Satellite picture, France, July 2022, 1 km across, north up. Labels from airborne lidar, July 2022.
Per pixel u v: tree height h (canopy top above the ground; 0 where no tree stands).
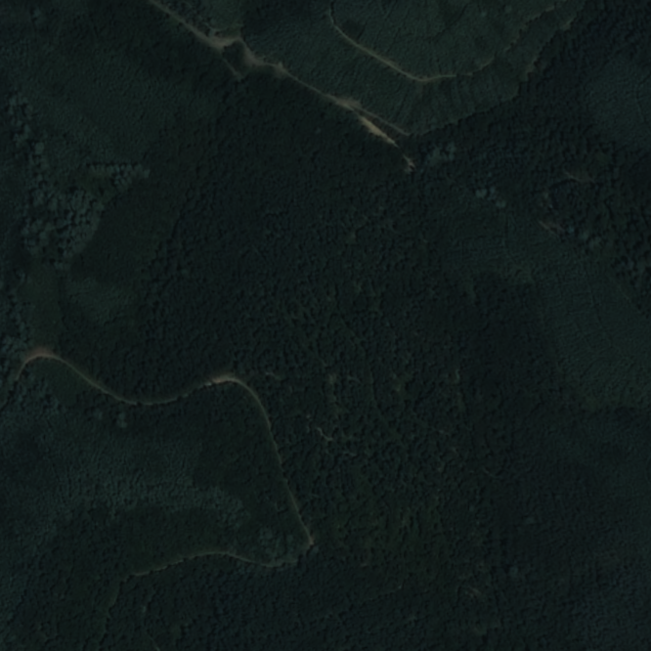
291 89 9
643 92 11
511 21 14
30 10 12
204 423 15
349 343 27
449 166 19
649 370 8
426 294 24
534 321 13
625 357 9
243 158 14
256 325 23
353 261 24
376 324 22
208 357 14
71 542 25
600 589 15
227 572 20
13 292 24
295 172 18
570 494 12
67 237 37
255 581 32
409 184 17
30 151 8
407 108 11
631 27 18
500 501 19
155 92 11
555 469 11
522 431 10
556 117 14
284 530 14
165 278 12
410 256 23
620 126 12
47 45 13
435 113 13
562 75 15
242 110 9
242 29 14
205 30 12
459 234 8
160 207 22
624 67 13
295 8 10
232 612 22
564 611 11
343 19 12
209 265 18
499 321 16
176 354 11
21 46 8
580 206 30
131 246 20
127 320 22
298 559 12
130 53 18
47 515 14
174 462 13
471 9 17
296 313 19
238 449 13
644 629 17
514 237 11
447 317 23
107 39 18
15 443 17
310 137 17
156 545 19
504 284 16
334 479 24
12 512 16
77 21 18
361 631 36
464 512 14
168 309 21
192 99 13
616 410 12
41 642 21
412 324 17
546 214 16
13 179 14
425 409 22
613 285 12
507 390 13
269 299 17
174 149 17
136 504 19
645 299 14
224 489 15
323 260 20
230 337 15
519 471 14
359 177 21
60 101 18
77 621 24
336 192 17
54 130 17
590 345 8
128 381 24
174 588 24
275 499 23
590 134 21
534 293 11
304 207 23
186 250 12
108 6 14
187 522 18
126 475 17
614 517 7
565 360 10
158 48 26
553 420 7
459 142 21
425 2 10
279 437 20
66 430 12
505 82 14
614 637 14
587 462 8
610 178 25
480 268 11
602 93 10
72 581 22
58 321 6
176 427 15
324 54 9
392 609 21
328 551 16
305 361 25
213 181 12
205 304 13
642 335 10
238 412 13
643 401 10
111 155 16
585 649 12
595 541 13
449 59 14
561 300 9
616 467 10
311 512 24
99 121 13
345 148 24
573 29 14
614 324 10
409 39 12
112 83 13
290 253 23
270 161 15
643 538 11
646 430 13
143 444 15
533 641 23
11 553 9
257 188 20
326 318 21
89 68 13
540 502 9
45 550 18
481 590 21
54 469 16
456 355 18
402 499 22
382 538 9
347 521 18
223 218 18
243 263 18
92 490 12
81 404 17
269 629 33
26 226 23
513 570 30
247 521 19
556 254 11
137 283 23
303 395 21
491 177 20
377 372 23
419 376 26
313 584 33
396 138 10
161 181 23
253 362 20
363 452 26
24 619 20
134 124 12
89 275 16
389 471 25
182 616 31
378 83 7
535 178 16
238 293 13
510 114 24
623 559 8
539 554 12
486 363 19
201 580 28
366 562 24
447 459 22
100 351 22
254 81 18
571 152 27
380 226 27
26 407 18
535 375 21
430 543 16
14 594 11
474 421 22
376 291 14
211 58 14
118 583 18
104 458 16
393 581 14
